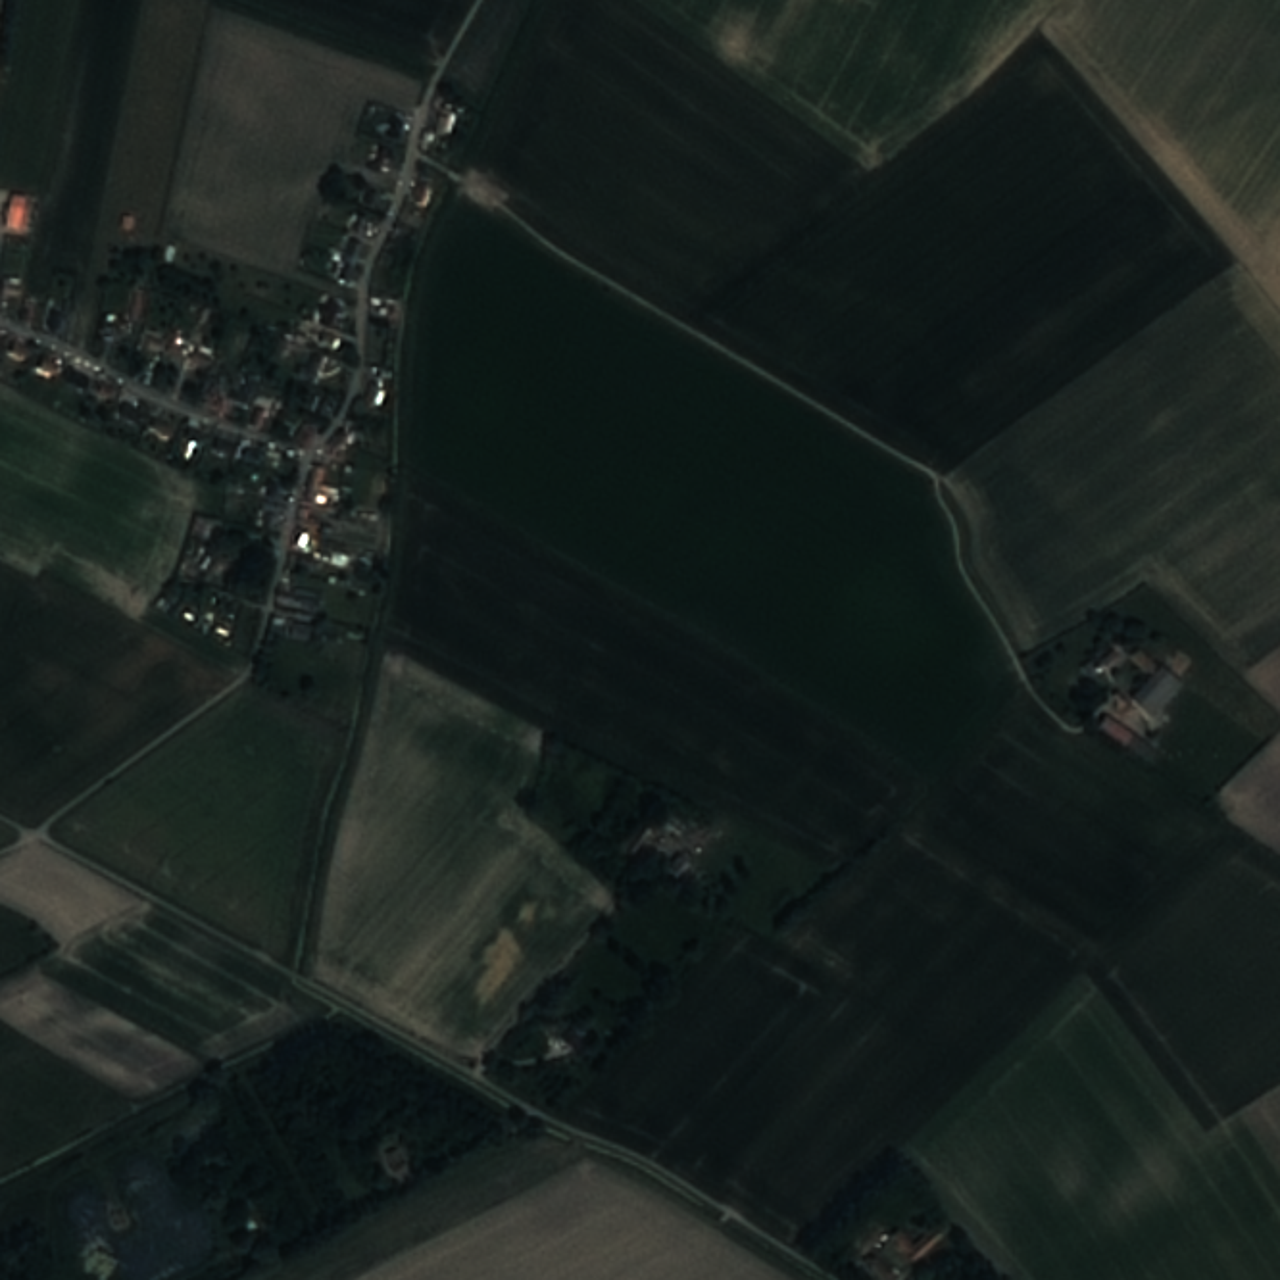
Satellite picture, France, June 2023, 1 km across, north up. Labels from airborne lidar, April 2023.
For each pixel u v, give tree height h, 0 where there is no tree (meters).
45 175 0
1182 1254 0
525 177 0
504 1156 0
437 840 0
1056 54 0
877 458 0
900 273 0
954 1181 0
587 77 0
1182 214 0
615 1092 0
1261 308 0
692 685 0
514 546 0
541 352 0
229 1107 6
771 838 0
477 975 0
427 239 0
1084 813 0
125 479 0
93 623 0
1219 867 0
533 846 0
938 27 0
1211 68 0
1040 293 0
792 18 0
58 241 0
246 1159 6
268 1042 0
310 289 0
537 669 0
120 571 0
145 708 0
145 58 0
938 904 0
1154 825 0
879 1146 0
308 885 0
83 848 0
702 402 0
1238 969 0
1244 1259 0
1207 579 0
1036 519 0
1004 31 0
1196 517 0
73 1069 0
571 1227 0
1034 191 0
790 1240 0
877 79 0
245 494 0
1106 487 0
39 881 0
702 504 0
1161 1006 0
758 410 0
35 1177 0
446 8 0
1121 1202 0
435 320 0
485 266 0
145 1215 0
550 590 0
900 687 0
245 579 17
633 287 0
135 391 0
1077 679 0
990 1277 21
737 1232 0
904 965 0
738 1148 0
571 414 0
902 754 0
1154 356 0
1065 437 0
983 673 0
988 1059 0
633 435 0
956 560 0
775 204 0
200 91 0
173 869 0
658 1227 0
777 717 0
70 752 0
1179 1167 0
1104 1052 0
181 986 0
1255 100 0
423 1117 23
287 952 0
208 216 0
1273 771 0
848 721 0
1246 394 0
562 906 0
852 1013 0
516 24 0
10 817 0
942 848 0
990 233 0
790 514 0
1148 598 0
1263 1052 0
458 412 0
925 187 0
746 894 0
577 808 0
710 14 0
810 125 0
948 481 0
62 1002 0
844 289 0
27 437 0
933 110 0
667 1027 0
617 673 0
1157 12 0
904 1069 0
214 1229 0
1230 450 0
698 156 0
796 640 0
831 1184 0
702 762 0
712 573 0
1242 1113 0
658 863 15
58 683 0
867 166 0
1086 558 0
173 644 0
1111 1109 0
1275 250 0
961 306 0
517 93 0
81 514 0
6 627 0
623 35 0
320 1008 0
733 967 0
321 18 0
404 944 0
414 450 0
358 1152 10
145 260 11
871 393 0
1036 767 0
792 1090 0
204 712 0
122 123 0
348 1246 0
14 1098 0
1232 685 0
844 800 0
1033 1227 0
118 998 0
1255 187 0
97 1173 0
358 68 0
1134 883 0
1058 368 0
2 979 0
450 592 0
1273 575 0
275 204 0
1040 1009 0
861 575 0
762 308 0
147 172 0
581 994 0
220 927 0
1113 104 0
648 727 0
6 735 0
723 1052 0
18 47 0
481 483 0
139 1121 0
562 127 0
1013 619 0
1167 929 0
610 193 0
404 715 0
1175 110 0
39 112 0
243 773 0
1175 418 0
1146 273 0
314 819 0
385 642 0
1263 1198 0
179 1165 9
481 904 0
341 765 0
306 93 0
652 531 0
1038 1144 0
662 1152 0
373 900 0
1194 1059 0
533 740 0
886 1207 0
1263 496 0
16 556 0
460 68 0
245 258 0
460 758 0
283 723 0
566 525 0
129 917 0
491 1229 0
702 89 0
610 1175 0
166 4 0
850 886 0
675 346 0
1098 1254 0
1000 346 0
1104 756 0
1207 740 0
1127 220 0
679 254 0
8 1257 17
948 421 0
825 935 0
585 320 0
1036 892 0
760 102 0
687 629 0
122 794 0
